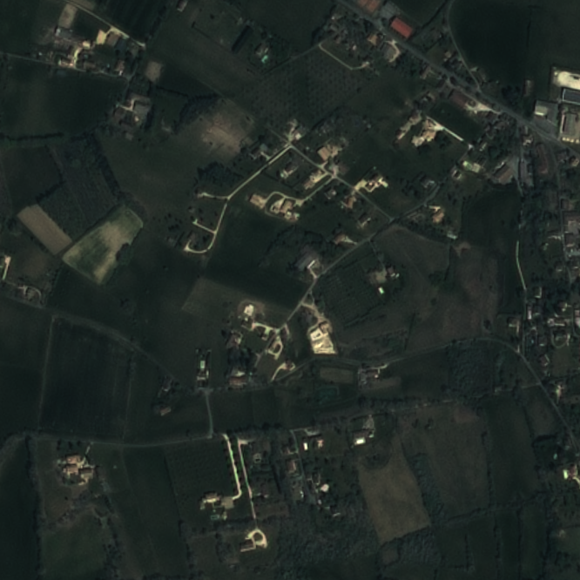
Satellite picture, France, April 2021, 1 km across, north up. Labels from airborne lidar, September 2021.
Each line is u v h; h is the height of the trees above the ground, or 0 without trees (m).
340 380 0
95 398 0
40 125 0
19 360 0
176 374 0
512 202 0
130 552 0
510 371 0
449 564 7
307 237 11
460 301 0
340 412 0
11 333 0
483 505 0
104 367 0
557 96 0
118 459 0
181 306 0
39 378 0
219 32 0
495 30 0
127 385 0
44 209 14
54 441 0
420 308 0
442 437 0
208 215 0
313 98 7
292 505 18
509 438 0
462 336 0
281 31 0
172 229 9
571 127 0
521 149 14
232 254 0
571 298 16
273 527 17
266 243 0
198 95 0
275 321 0
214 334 0
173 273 0
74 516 19
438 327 0
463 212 6
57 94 0
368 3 0
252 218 0
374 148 0
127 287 0
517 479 0
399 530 0
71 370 0
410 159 0
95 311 0
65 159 16
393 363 0
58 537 0
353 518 11
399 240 0
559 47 0
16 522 0
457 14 0
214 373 0
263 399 0
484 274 0
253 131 0
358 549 12
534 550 0
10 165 0
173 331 0
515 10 0
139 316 0
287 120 9
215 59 0
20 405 0
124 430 0
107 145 0
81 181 13
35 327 0
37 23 0
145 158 0
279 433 17
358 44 9
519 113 15
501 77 0
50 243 0
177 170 0
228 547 11
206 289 0
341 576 0
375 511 0
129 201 16
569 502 9
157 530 0
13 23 0
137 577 0
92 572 0
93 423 0
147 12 0
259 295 0
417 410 12
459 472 0
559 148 0
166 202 0
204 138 0
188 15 0
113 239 0
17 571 0
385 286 0
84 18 0
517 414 0
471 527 0
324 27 7
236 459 9
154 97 5
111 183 8
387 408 9
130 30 0
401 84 0
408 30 0
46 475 0
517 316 13
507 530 0
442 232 6
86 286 0
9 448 13
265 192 0
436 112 0
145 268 0
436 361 0
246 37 12
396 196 0
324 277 6
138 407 0
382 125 0
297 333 0
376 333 0
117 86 0
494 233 0
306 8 0
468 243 0
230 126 0
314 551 8
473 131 0
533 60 0
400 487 0
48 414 0
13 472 0
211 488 0
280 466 9
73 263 0
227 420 0
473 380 6
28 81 0
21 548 0
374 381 10
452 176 14
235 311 0
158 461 0
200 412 0
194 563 17
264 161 10
